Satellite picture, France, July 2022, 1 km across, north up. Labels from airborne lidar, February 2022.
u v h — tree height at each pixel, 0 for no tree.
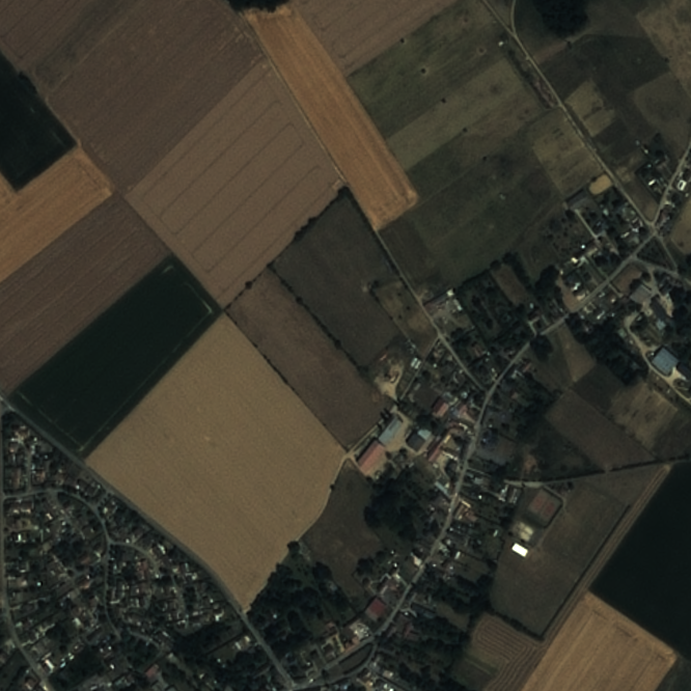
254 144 0
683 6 0
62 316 0
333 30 0
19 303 0
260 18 0
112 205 0
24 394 0
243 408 0
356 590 0
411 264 0
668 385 0
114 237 0
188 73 0
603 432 0
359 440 0
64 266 0
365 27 0
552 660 0
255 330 0
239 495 0
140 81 0
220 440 0
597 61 0
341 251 0
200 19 0
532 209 0
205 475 0
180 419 0
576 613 0
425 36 0
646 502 0
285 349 0
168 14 0
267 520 0
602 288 0
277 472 0
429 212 0
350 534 0
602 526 0
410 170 0
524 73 0
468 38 0
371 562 8
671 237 0
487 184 0
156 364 0
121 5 0
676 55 0
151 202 0
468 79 0
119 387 0
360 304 0
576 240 0
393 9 0
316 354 0
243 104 0
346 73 0
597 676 0
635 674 0
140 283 0
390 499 19
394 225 0
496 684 0
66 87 0
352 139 0
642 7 0
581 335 14
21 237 0
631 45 0
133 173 0
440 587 6
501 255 0
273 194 0
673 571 0
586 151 0
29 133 0
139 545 0
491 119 0
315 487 0
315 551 0
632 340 0
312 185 0
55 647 0
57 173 0
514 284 0
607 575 0
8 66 0
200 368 0
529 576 0
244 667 14
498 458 0
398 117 0
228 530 0
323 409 0
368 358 0
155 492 0
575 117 0
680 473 0
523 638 0
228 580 0
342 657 0
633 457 0
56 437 0
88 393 0
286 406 0
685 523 0
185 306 0
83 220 0
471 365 6
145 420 0
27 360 0
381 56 0
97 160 0
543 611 0
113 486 0
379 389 0
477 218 0
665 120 0
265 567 0
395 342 0
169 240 0
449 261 0
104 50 0
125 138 0
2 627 0
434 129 0
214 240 0
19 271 0
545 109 0
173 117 0
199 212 0
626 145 0
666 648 0
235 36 0
